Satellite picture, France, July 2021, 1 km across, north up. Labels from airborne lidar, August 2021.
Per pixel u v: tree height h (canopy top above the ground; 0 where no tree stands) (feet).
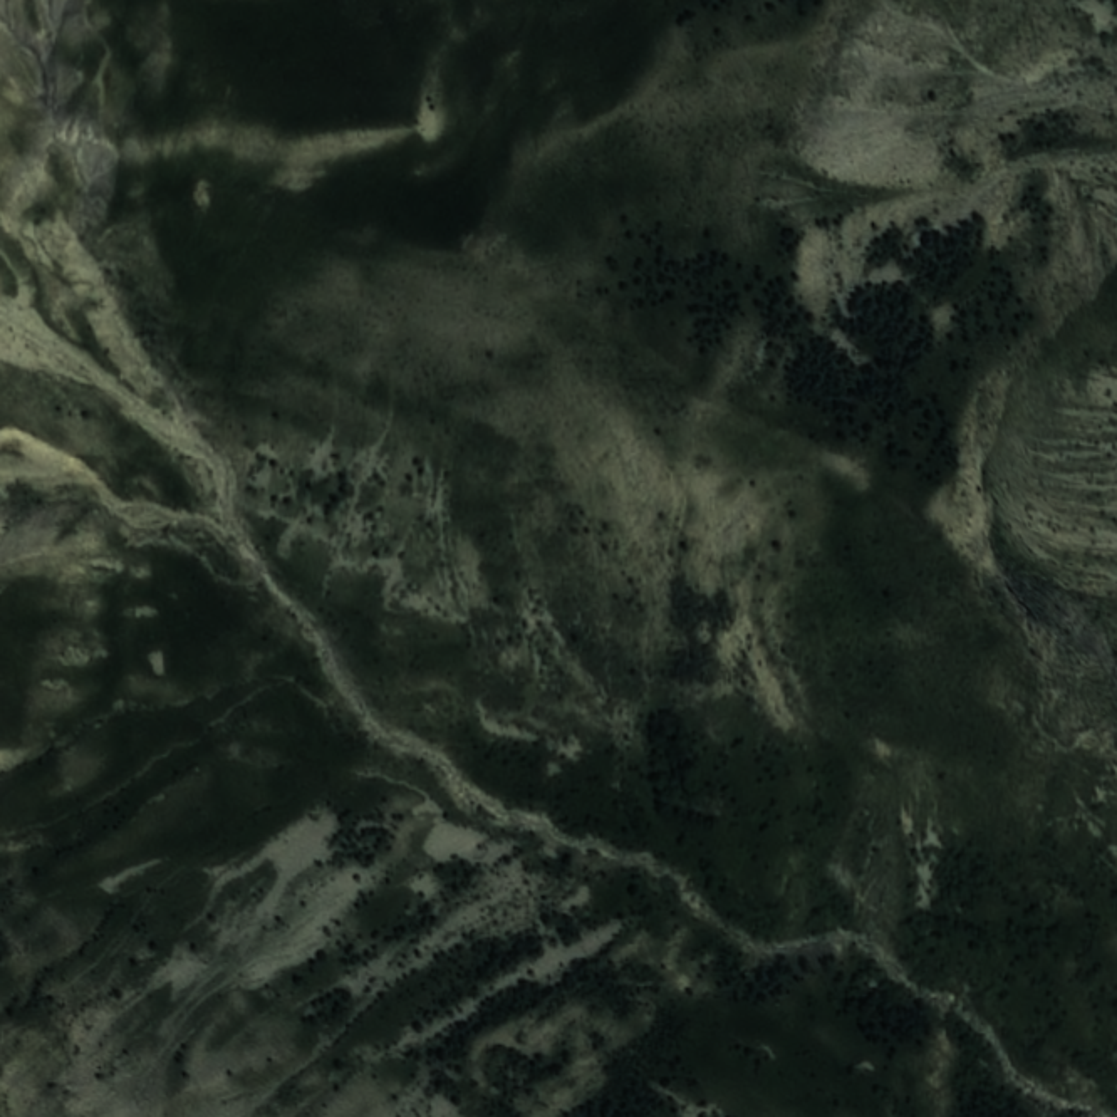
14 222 0
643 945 0
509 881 0
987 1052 20
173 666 0
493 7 0
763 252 0
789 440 0
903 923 20
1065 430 0
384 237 0
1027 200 25
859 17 0
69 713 0
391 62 0
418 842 0
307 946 0
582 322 0
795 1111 0
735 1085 0
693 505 0
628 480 0
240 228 0
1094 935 19
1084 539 0
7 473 0
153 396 0
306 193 0
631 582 26
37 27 0
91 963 0
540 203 0
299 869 0
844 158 0
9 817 0
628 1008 20
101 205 0
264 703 0
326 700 0
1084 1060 29
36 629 0
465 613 0
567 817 20
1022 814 0
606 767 0
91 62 0
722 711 0
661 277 36
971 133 0
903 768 0
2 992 0
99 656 0
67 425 0
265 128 0
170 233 0
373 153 0
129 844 0
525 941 40
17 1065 0
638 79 0
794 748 21
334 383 0
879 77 0
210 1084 0
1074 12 23
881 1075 0
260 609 0
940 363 0
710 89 0
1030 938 31
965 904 33
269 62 0
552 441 0
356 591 0
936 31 0
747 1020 0
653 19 0
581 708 0
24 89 0
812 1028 0
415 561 0
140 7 0
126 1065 0
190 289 0
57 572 0
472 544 0
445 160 0
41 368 0
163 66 0
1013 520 0
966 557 0
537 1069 31
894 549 0
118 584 0
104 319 0
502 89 0
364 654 0
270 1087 0
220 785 0
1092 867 18
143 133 0
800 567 0
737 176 0
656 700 0
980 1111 49
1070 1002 0
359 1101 0
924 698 0
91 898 0
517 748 23
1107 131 0
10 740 0
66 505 0
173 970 0
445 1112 0
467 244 0
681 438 0
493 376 0
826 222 31
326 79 0
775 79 0
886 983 27
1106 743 0
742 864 0
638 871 24
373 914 0
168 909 0
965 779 0
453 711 0
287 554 0
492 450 0
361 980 0
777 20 0
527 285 0
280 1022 0
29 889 0
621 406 0
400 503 0
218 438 0
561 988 42
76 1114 0
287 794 0
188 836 0
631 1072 22
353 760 0
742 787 0
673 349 0
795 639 0
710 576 0
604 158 0
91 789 0
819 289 0
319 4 0
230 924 0
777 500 0
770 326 23
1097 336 0
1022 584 25
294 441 0
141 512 0
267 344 0
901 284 31
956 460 28
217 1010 0
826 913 22
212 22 0
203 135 0
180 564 0
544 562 0
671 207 0
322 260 0
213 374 0
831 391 56
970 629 0
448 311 0
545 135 0
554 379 0
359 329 0
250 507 0
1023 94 0
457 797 0
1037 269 0
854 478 0
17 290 0
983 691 0
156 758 0
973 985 30
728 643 0
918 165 0
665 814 77
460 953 21
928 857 24
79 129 0
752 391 0
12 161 0
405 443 0
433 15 0
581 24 0
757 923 19
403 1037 0
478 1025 39
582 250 0
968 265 49
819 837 0
